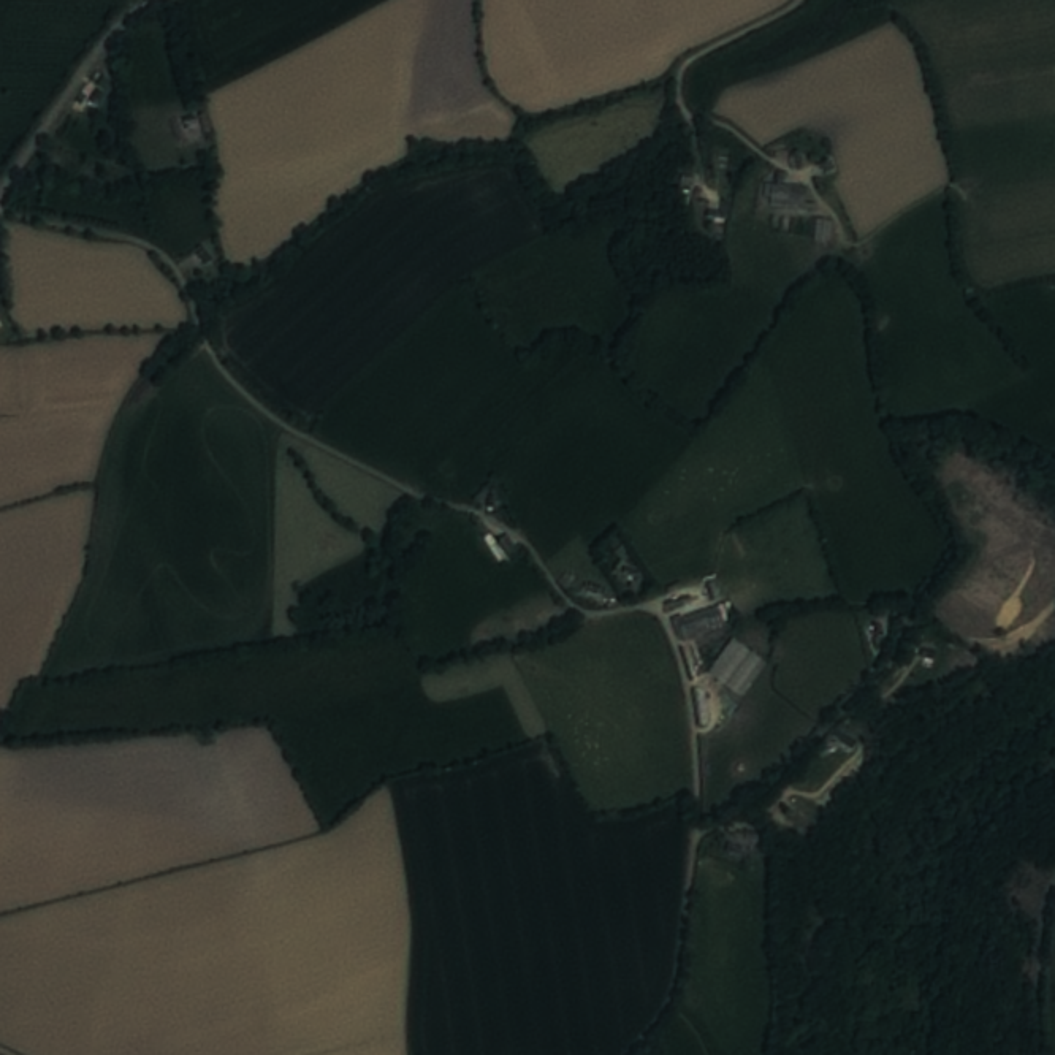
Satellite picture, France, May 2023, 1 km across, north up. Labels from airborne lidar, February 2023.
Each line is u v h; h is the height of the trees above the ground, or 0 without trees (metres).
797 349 0
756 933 0
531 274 0
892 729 17
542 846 0
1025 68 0
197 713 0
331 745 0
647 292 18
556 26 0
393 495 0
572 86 0
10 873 0
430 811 0
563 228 16
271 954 0
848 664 0
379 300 0
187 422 0
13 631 0
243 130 0
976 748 19
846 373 0
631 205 21
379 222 0
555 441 0
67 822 0
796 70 0
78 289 0
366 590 0
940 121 9
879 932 9
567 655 0
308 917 0
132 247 0
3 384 0
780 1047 19
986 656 13
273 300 0
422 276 0
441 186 0
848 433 0
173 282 7
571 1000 0
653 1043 13
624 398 0
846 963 18
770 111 0
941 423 21
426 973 0
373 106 0
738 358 0
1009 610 0
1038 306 0
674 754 0
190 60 15
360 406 0
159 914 0
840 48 0
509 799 0
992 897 13
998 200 0
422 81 0
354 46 0
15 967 0
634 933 0
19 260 0
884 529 0
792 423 0
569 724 0
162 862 0
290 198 0
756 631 0
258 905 0
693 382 0
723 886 0
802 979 20
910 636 15
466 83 0
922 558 0
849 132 0
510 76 0
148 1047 0
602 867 0
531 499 0
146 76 0
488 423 0
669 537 0
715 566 0
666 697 0
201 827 0
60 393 0
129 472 0
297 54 0
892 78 0
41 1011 0
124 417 0
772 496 0
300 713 0
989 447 24
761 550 0
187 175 9
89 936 0
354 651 0
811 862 20
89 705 0
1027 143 0
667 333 0
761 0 0
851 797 19
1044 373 0
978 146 0
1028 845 17
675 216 9
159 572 0
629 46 0
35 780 0
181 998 0
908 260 0
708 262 9
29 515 0
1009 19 0
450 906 0
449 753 0
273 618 0
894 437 14
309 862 0
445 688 0
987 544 0
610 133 0
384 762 0
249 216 0
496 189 0
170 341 11
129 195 14
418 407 0
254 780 0
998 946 18
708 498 0
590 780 0
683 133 9
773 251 0
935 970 18
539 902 0
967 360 0
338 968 0
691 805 17
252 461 0
